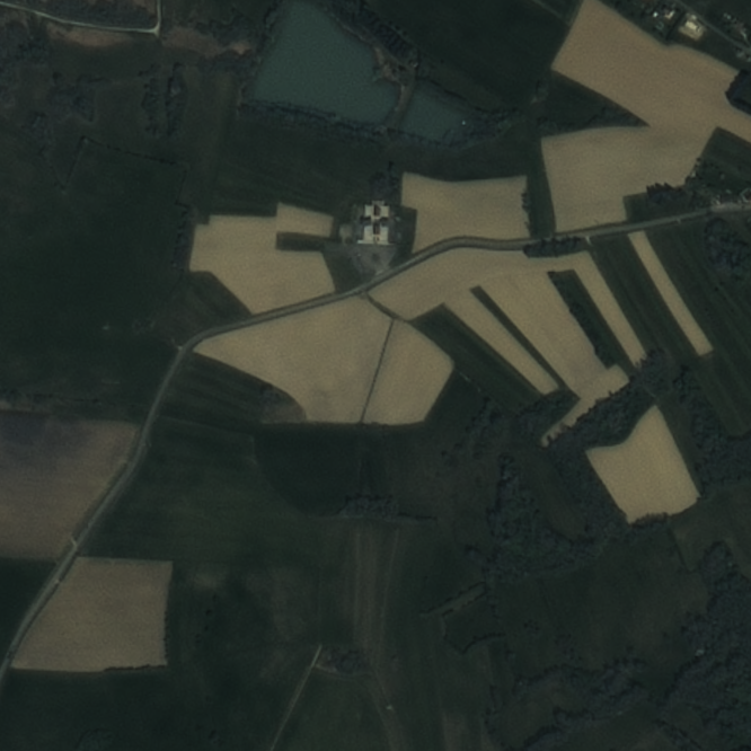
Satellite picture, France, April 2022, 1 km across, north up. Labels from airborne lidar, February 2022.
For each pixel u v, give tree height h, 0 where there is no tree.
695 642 19
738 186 0
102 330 0
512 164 0
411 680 0
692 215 0
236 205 0
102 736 5
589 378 0
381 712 0
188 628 0
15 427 0
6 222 0
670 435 0
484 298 0
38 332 0
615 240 0
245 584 0
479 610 0
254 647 0
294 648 0
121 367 0
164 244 0
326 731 0
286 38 0
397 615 0
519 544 27
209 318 0
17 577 0
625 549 0
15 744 0
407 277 0
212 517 0
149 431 0
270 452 0
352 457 0
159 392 0
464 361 0
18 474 0
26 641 0
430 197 0
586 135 0
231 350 0
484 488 0
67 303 0
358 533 0
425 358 0
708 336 0
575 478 17
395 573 0
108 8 7
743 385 0
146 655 0
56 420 0
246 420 0
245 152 0
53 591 0
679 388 8
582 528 0
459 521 0
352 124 12
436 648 0
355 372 0
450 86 0
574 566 19
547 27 0
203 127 0
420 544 0
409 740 0
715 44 0
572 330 0
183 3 0
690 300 0
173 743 0
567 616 0
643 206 0
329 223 0
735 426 0
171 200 0
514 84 0
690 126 0
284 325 0
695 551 0
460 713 0
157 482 0
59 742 0
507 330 0
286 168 0
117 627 0
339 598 0
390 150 0
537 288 0
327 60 0
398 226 0
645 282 0
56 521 0
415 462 0
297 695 0
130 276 0
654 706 12
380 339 0
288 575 0
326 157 0
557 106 0
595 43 0
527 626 7
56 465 0
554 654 0
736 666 19
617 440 6
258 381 0
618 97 0
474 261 0
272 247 0
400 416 0
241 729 0
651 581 0
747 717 7
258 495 0
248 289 0
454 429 0
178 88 15
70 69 0
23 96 0
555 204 0
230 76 0
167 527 0
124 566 0
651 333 0
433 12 0
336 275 0
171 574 0
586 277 0
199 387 0
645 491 0
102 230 0
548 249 18
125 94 0
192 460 0
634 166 0
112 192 0
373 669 0
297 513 0
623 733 0
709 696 21
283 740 0
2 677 0
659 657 0
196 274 0
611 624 0
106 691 0
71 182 0
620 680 23
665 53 0
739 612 25
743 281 18
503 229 0
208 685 0
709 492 16
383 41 19
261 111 14
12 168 0
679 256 0
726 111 0
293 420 0
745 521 0
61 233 0
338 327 0
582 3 0
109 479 0
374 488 0
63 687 0
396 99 0
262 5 0
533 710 0
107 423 0
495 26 0
